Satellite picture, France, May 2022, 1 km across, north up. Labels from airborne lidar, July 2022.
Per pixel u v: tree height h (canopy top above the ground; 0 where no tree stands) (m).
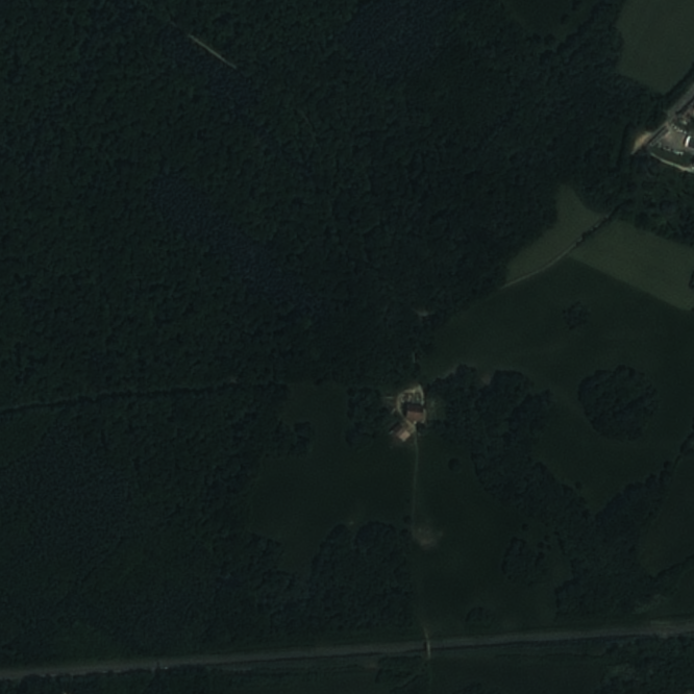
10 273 24
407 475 0
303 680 6
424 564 0
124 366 18
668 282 0
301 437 11
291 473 0
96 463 13
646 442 0
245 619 21
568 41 12
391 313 20
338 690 0
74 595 11
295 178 20
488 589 0
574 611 12
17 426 15
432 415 0
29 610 15
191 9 23
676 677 7
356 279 20
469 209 21
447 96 12
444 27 18
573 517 28
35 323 25
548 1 0
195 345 22
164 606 17
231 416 23
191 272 23
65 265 21
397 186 24
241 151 19
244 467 22
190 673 17
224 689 6
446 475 0
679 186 0
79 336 23
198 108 18
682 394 0
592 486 0
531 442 18
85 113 17
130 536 15
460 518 0
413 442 0
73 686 14
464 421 13
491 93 10
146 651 15
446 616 0
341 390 0
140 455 20
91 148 20
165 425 20
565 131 22
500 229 19
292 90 22
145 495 17
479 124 12
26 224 24
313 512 0
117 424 24
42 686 27
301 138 22
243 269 20
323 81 24
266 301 25
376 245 21
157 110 23
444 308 16
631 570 22
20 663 17
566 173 20
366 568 22
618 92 16
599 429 15
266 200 21
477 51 18
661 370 0
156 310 21
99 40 12
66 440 21
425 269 22
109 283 22
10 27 24
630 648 14
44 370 20
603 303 0
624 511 25
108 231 20
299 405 0
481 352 0
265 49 20
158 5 19
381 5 19
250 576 19
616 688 18
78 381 19
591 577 20
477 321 0
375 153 26
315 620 24
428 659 0
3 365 22
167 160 20
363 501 0
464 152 23
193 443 23
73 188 19
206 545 19
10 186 19
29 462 17
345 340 27
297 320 28
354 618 15
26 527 13
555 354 0
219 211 23
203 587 14
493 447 20
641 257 0
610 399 20
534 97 19
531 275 0
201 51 19
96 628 11
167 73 25
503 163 22
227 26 22
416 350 16
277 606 21
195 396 18
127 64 26
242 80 25
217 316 22
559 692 0
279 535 0
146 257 18
